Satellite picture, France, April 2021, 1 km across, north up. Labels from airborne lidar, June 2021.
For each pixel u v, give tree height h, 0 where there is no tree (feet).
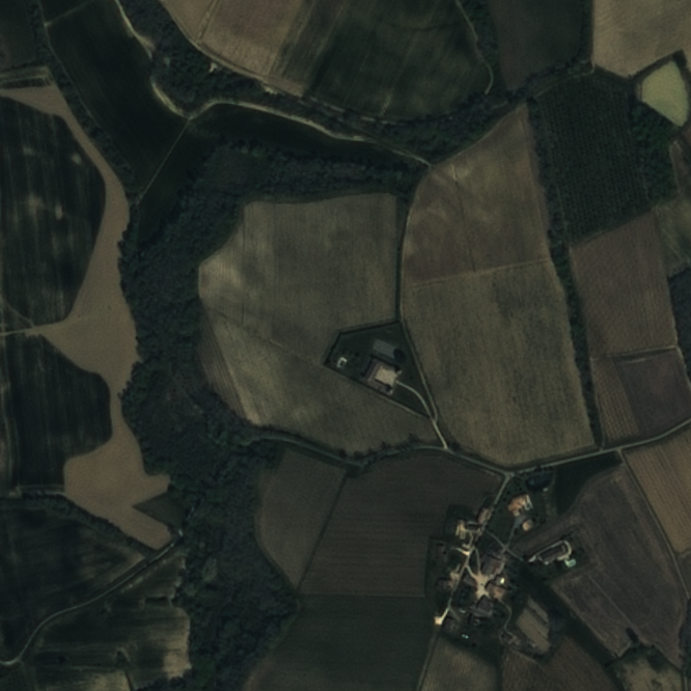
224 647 52
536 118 55
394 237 0
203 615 31
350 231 0
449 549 0
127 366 0
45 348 0
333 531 0
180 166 0
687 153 0
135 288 66
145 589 0
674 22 0
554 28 0
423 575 0
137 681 0
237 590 23
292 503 0
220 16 0
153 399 31
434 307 0
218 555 45
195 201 70
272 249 0
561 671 0
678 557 0
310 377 0
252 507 62
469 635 0
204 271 0
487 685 0
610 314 0
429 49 0
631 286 0
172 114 0
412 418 0
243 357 0
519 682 0
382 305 0
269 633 60
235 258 0
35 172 0
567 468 0
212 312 0
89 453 0
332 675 0
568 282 52
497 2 0
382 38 0
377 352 0
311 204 0
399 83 0
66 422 0
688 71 0
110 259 0
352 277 0
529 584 0
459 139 65
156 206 0
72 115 0
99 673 0
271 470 20
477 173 0
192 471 43
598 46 0
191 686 69
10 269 0
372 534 0
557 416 0
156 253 57
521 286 0
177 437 31
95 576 0
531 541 0
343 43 0
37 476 0
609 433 0
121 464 0
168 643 0
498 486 0
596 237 0
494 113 52
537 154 50
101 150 43
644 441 0
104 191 0
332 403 0
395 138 65
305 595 0
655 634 0
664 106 0
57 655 0
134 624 0
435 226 0
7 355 0
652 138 70
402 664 0
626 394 0
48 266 0
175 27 25
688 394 0
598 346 0
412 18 0
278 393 0
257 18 0
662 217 0
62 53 0
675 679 0
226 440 61
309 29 0
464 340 0
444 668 0
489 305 0
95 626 0
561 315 0
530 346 0
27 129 0
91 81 0
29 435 0
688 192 0
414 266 0
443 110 0
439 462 0
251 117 0
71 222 0
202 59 43
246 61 0
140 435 39
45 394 0
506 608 27
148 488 0
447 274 0
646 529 0
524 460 0
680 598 0
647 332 0
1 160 0
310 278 0
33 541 0
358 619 0
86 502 0
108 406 0
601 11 0
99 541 0
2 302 0
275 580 48
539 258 0
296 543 0
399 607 0
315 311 0
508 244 0
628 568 0
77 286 0
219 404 61
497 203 0
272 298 0
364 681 0
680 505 0
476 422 0
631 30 0
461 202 0
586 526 0
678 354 0
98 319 0
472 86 0
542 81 47
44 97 0
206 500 62
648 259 0
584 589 0
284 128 0
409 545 0
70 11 0
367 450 0
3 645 0
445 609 0
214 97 36
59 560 0
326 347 0
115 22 0
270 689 0
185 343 37
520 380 0
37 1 47
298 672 0
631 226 0
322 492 0
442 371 0
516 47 0
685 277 56
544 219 0
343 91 0
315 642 0
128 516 0
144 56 0
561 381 0
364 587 0
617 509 0
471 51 0
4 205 0
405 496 0
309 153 0
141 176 0
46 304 0
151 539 0
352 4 0
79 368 0
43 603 0
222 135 0
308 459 0
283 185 45
